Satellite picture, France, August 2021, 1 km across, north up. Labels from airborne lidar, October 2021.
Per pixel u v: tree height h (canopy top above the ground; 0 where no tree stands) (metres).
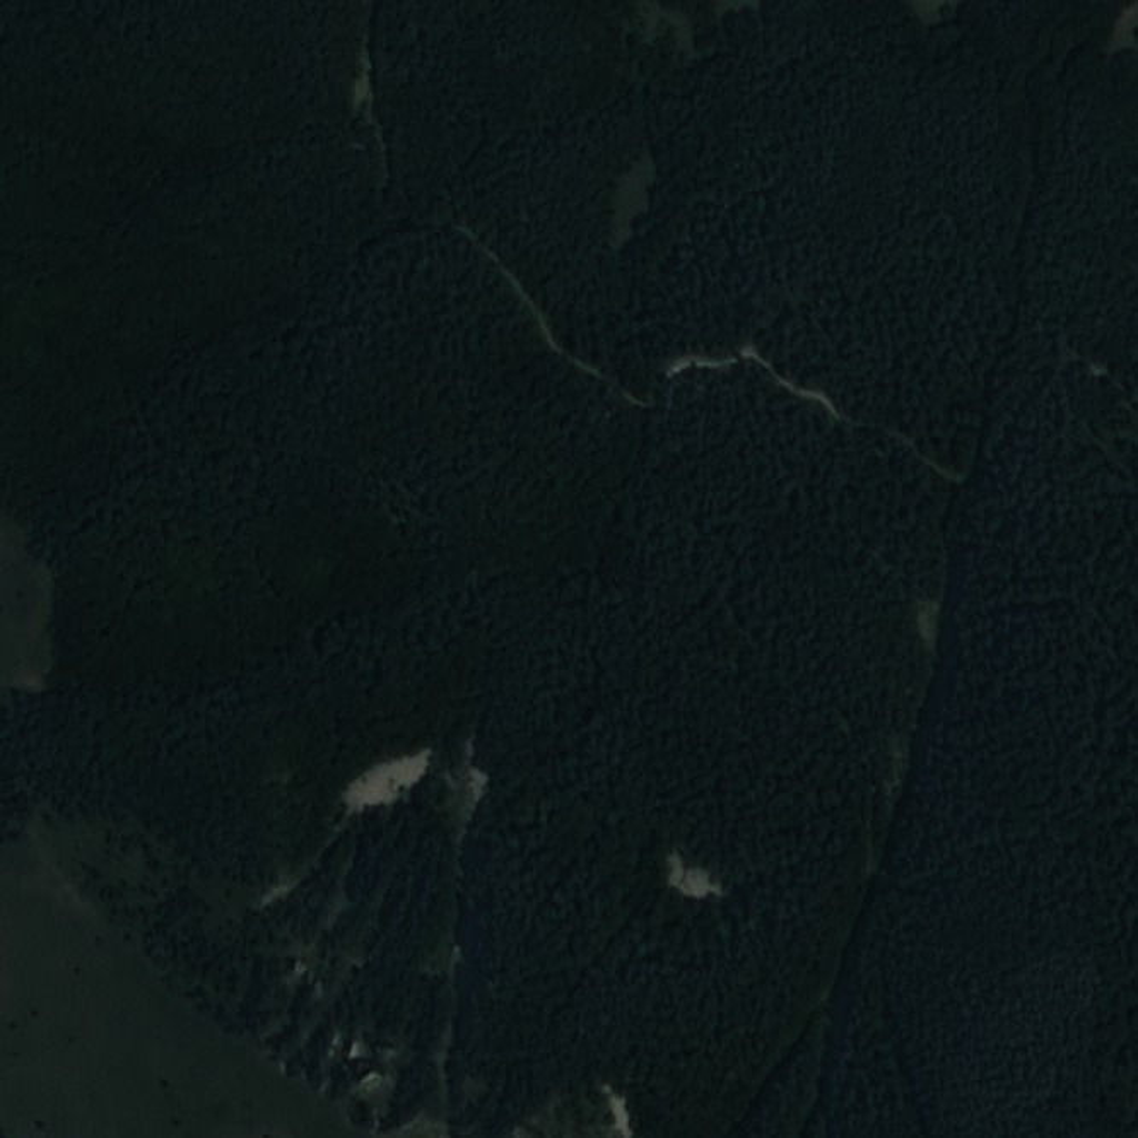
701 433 27
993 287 27
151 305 23
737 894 10
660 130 21
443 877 22
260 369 28
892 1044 12
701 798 18
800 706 15
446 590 32
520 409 17
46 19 26
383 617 29
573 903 19
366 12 22
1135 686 23
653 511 24
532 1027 17
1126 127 24
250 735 22
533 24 27
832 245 25
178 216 27
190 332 29
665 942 25
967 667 28
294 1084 0
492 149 31
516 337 25
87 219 19
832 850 29
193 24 24
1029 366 20
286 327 24
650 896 22
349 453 26
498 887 11
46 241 21
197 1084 0
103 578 23
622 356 18
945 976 20
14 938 0
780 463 27
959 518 17
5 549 0
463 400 34
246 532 27
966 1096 21
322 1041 12
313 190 22
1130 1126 22
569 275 24
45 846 0
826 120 26
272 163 34
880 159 24
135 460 27
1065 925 17
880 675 21
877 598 23
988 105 26
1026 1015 21
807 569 19
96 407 23
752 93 28
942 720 21
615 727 13
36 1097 0
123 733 25
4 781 10
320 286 25
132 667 25
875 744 15
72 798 11
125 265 16
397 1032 16
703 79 25
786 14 30
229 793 17
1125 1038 25
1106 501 24
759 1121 20
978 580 18
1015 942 18
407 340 24
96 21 21
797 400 30
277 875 11
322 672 21
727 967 15
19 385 13
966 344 31
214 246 24
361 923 6
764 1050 21
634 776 18
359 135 18
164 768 24
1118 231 25
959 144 19
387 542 20
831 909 23
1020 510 25
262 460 26
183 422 20
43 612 0
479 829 14
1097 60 15
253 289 28
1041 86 23
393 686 28
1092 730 29
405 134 23
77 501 22
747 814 23
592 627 17
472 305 32
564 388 23
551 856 25
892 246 21
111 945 0
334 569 21
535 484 20
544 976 18
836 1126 22
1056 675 15
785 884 18
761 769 16
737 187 23
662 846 20
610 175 18
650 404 8
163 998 0
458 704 12
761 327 20
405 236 30
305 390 25
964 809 24
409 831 25
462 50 27
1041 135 21
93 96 22
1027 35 20
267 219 24
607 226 19
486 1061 8
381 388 25
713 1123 21
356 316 14
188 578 29
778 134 28
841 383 26
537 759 13
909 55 23
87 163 17
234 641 26
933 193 25
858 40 24
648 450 24
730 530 23
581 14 22
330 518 19
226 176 24
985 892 20
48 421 17
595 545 28
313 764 21
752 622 25
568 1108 6
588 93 25
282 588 25
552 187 23
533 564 28
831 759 30
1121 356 20
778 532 25
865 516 20
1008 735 21
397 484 23
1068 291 20
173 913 13
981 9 13
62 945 0
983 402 19
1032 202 19
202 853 7
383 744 17
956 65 24
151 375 29
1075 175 22
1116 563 19
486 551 27
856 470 28
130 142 16
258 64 21
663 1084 22
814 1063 18
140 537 22
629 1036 14
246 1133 0
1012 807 26
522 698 20
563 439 15
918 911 12
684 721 23
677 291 26
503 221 17
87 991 0
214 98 21
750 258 30
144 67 23
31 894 0
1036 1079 22
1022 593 15
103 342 25
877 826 8
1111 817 25
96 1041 0
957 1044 13
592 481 25
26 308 21
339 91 25
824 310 28
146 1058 0
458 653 24
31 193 17
